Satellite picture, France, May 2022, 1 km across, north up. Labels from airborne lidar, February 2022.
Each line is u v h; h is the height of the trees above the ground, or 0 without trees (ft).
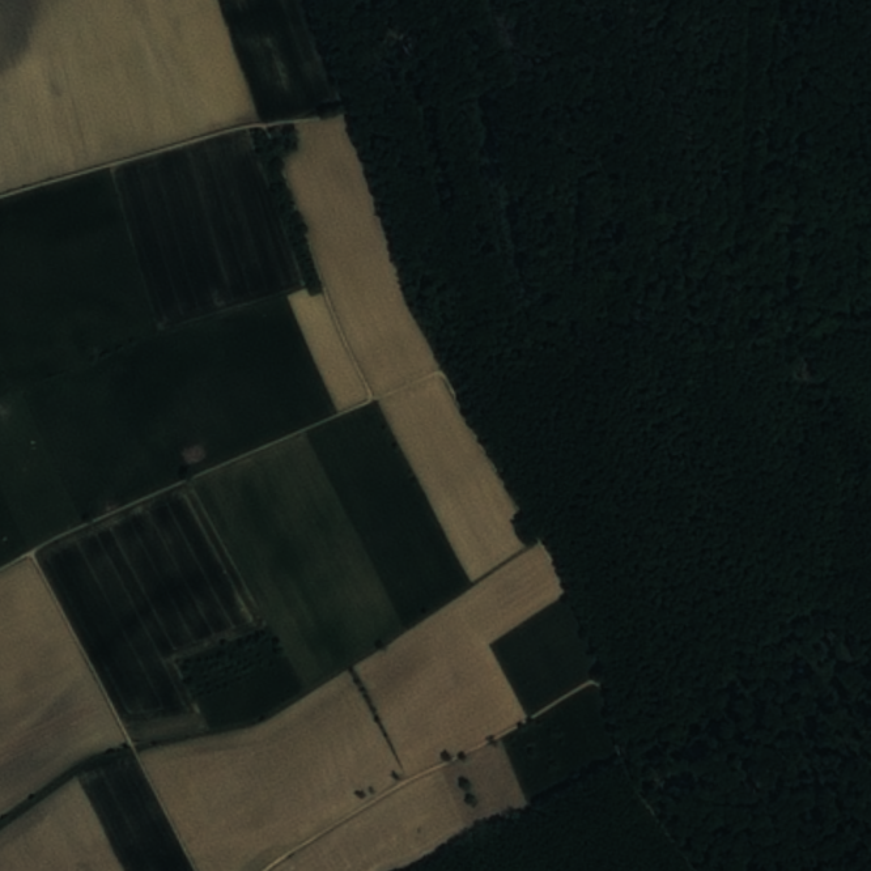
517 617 0
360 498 0
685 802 92
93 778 0
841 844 101
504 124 101
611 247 82
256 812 0
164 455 0
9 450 0
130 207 0
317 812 0
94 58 0
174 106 0
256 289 0
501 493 0
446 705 0
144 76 0
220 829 0
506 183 92
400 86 77
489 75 89
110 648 0
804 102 88
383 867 0
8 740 0
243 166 0
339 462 0
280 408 0
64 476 0
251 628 0
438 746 0
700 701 102
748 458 82
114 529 0
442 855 48
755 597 84
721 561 86
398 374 0
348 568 0
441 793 0
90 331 0
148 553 0
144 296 0
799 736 94
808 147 92
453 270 100
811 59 104
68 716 0
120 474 0
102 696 0
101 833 0
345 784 0
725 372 78
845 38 95
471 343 73
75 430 0
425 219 98
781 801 87
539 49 94
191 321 0
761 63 71
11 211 0
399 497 0
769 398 74
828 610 73
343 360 0
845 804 92
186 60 0
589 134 81
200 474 0
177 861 0
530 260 99
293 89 0
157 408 0
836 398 70
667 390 76
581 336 76
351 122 63
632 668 69
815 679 108
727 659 91
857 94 96
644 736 69
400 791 0
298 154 0
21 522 0
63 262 0
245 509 0
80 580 0
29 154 0
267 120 0
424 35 94
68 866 0
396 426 0
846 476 71
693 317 91
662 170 110
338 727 0
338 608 0
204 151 0
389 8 98
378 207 36
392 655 0
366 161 68
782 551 88
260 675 0
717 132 85
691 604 90
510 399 64
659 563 79
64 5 0
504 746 0
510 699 0
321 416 0
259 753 0
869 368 78
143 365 0
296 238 21
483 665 0
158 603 0
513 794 0
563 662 0
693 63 85
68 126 0
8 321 0
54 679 0
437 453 0
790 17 67
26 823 0
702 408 82
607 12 93
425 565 0
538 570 0
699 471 75
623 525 75
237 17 0
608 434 69
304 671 0
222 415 0
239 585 0
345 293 0
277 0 0
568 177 89
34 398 0
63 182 0
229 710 0
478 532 0
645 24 93
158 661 0
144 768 0
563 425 62
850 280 80
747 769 87
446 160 85
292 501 0
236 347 0
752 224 81
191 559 0
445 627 0
